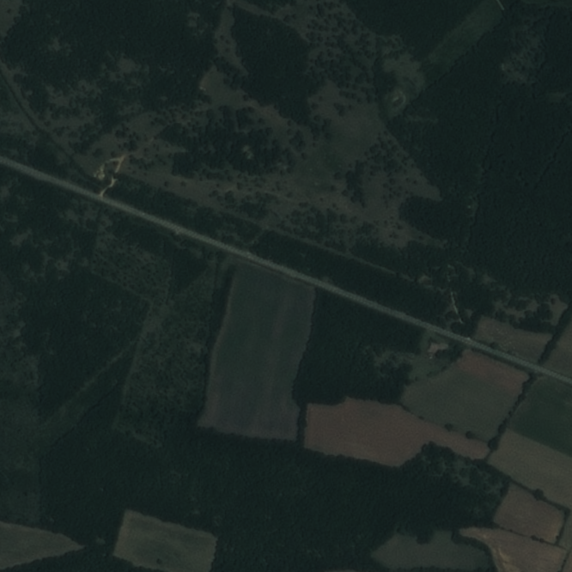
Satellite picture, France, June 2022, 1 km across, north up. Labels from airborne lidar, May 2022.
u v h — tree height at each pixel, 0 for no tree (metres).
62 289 10
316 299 7
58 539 0
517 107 21
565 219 16
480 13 0
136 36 11
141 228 8
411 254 12
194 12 8
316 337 12
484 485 7
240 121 12
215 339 9
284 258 9
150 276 7
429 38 11
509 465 0
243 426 0
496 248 16
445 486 8
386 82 11
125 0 15
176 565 0
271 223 0
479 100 11
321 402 13
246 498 7
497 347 12
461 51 0
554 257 15
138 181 5
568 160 14
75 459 11
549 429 0
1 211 7
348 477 10
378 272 13
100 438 11
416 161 8
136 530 0
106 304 7
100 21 13
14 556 0
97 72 9
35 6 8
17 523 6
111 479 11
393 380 10
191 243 10
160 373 10
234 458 9
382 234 0
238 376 0
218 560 10
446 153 14
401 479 8
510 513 0
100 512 9
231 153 8
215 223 7
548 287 10
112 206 0
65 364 9
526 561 0
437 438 0
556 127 14
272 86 9
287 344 0
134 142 9
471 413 0
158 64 8
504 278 9
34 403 9
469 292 11
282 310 0
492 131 13
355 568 10
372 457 0
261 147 12
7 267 7
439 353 12
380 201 0
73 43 8
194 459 8
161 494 9
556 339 11
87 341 10
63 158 0
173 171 8
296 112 14
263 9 8
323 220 7
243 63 9
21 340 10
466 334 9
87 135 7
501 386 0
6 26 0
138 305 8
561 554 0
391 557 0
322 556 9
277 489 8
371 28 7
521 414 0
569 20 16
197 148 10
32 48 10
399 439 0
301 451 11
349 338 9
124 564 10
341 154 0
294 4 9
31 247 9
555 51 13
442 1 11
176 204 6
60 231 8
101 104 8
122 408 15
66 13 11
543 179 13
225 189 0
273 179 0
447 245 10
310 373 13
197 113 7
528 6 13
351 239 6
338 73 7
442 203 9
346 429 0
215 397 0
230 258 0
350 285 15
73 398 13
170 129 9
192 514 7
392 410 0
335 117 0
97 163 0
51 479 8
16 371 8
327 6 9
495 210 18
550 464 0
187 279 10
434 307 10
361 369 12
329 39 7
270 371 0
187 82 10
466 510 9
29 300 8
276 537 11
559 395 0
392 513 9
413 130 10
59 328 11
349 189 10
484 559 0
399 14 11
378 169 8
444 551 0
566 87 14
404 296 12
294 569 13
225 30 0
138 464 10
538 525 0
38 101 8
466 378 0
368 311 11
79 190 0
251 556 9
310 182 0
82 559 9
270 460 8
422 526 10
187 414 10
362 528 7
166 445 12
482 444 0
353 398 10
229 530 9
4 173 9
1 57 7
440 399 0
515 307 6
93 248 8
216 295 9
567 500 0
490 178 17
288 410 0
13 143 9
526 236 15
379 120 0
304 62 8
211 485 7
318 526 9
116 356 9
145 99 8
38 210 9
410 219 9
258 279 0
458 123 12
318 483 8
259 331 0
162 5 11
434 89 12
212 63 7
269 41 8
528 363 0
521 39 17
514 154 21
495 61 16
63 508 10
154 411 13
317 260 13
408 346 11
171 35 15
